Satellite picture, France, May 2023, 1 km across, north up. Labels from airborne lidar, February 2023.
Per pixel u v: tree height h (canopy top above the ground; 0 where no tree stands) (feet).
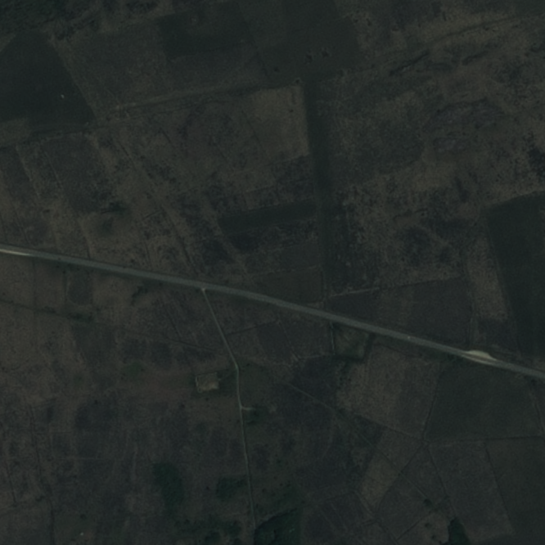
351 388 0
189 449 0
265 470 0
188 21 0
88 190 0
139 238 0
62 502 0
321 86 0
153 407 0
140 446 0
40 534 0
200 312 0
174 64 0
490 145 0
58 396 0
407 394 0
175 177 0
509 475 0
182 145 0
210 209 0
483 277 0
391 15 0
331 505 0
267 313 0
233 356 0
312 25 0
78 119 0
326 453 0
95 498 0
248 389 0
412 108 0
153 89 0
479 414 0
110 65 0
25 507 0
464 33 0
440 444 0
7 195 0
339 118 0
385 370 0
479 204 0
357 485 0
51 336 0
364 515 0
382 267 0
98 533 0
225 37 0
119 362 0
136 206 0
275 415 0
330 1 0
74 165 0
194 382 0
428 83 0
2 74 0
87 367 0
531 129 0
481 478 0
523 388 0
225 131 0
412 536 0
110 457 0
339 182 0
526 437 0
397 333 0
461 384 0
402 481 0
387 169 0
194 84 0
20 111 0
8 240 0
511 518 0
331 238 0
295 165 0
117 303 0
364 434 0
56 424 0
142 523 0
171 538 0
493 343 0
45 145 0
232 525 21
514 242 0
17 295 0
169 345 0
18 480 0
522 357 0
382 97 0
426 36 0
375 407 0
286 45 0
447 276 0
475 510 0
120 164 0
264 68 0
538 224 0
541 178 0
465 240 0
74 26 0
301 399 0
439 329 0
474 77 0
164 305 0
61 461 0
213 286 0
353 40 0
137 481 0
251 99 0
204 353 0
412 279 0
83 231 0
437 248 0
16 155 0
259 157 0
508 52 0
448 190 0
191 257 0
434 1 0
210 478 0
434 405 0
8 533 0
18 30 0
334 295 0
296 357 0
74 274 0
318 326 0
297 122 0
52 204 0
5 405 0
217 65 0
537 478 0
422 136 0
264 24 0
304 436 0
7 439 0
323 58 0
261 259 0
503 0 0
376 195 0
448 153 0
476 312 0
